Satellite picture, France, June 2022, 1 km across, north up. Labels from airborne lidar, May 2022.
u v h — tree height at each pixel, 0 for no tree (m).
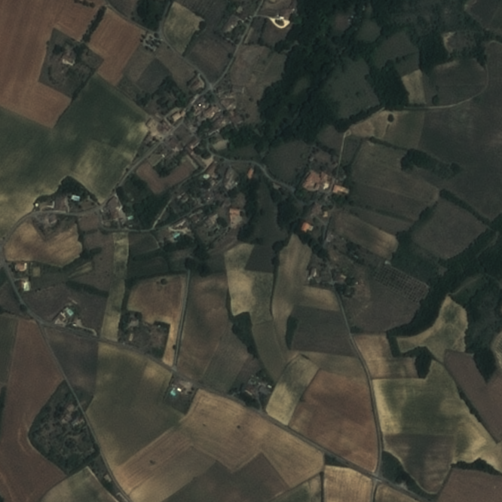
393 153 0
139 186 7
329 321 0
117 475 0
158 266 0
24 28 0
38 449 10
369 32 0
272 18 0
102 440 0
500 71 0
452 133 0
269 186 9
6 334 0
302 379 0
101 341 0
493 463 0
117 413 0
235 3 8
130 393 0
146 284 0
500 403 0
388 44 0
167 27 0
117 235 0
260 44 8
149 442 0
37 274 0
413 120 0
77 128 0
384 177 0
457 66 0
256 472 0
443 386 0
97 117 0
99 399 0
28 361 0
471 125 0
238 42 7
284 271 0
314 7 23
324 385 0
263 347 0
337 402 0
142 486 0
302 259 0
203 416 0
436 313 16
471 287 0
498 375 0
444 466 0
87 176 0
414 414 0
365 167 0
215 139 7
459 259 8
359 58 13
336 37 12
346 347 0
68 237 0
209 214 12
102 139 0
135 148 0
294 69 20
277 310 0
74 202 6
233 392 7
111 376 0
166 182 0
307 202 9
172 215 7
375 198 0
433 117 0
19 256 0
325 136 0
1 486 0
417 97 0
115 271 0
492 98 0
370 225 0
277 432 0
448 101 0
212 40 0
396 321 0
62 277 0
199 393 0
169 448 0
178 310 0
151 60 0
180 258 0
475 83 0
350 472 0
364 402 0
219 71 0
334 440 0
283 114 0
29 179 0
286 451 0
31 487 0
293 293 0
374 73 14
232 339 0
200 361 0
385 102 14
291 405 0
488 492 0
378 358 0
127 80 0
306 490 0
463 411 0
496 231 9
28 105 0
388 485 0
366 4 16
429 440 0
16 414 0
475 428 0
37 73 0
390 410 0
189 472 0
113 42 0
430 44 9
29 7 0
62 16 0
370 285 0
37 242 0
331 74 8
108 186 0
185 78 0
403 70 0
